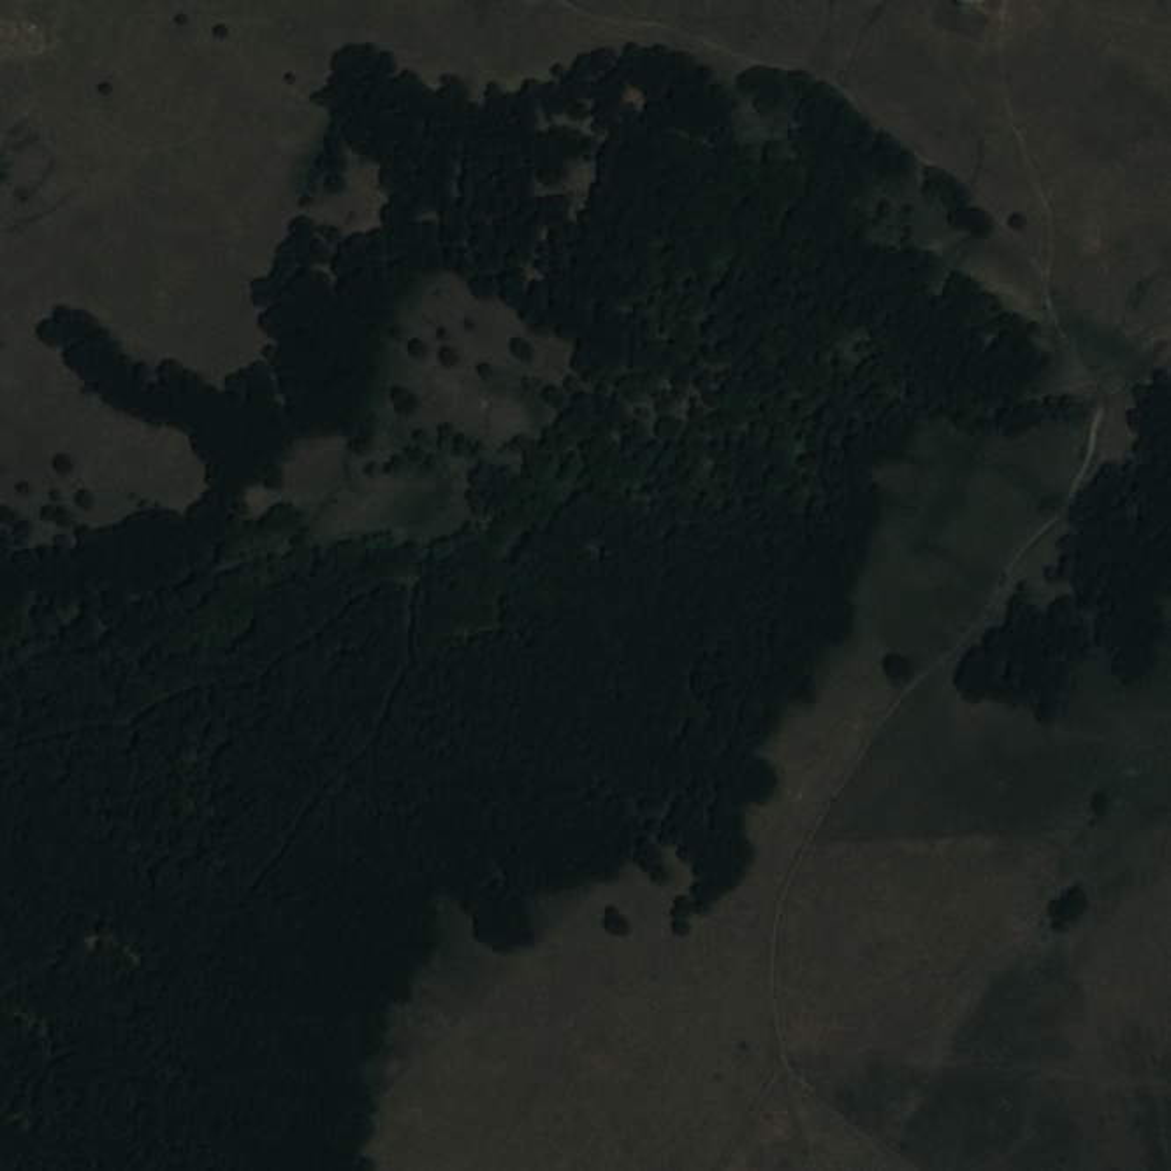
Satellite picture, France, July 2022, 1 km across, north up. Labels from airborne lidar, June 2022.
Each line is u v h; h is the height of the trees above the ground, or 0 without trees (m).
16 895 12
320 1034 10
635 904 0
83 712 12
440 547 14
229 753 17
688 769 10
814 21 0
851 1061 0
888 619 0
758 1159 0
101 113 0
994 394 14
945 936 0
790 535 17
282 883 12
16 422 0
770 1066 0
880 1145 0
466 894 11
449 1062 0
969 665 14
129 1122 12
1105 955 0
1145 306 0
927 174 9
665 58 13
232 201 0
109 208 0
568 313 19
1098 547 13
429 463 12
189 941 13
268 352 12
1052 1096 0
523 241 19
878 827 0
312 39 0
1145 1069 0
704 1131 0
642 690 11
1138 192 0
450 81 11
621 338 14
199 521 19
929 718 0
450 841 12
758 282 15
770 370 15
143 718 13
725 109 10
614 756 13
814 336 11
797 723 0
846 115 12
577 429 12
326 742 11
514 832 13
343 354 21
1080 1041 0
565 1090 0
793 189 14
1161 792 0
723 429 12
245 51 0
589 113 9
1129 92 0
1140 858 0
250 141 0
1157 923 0
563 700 13
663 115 14
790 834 0
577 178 0
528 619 14
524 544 11
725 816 13
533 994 0
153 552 20
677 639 12
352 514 0
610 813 13
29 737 9
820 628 15
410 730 9
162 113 0
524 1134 0
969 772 0
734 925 0
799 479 8
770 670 12
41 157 0
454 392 0
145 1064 12
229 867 12
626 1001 0
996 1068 0
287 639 18
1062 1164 0
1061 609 12
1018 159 0
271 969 14
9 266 0
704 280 13
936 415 11
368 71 10
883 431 16
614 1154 0
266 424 19
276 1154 12
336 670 13
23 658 11
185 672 16
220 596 15
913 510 0
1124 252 0
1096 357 0
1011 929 0
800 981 0
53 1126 7
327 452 0
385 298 20
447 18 0
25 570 19
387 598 15
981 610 0
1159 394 14
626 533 14
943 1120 0
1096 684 0
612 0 0
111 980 12
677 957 0
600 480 15
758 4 0
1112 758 0
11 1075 15
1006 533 0
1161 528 9
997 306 9
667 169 8
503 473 10
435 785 15
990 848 0
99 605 16
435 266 18
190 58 0
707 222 17
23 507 0
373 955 12
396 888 11
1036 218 0
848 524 16
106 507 0
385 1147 0
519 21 0
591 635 16
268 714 14
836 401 14
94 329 15
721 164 14
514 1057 0
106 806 11
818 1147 0
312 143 0
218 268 0
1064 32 0
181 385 16
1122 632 11
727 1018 0
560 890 8
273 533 14
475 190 13
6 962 11
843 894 0
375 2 0
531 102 12
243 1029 13
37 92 0
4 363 0
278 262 11
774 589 14
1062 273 0
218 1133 14
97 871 12
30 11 0
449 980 0
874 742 0
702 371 10
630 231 18
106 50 0
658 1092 0
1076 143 0
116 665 8
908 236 7
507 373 0
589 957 0
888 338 15
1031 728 0
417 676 11
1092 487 8
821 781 0
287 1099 10
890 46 0
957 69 0
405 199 16
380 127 16
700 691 10
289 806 14
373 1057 9
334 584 11
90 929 11
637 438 15
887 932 0
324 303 19
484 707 16
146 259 0
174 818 13
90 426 0
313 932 13
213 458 17
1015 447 0
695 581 15
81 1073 13
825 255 15
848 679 0
